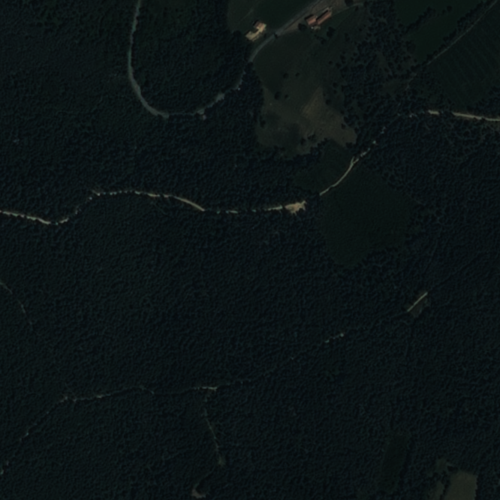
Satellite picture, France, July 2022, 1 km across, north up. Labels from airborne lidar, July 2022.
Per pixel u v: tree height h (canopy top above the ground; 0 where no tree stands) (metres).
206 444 18
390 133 19
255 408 22
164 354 23
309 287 24
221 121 16
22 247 22
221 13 28
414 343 20
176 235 18
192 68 15
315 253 23
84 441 13
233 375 20
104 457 15
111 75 18
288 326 17
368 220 5
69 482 19
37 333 13
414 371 17
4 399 15
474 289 21
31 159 14
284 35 0
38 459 16
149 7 8
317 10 0
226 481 12
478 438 24
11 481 16
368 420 23
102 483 18
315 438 20
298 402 26
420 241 22
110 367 17
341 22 0
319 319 22
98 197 20
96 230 17
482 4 10
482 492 14
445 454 22
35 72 19
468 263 15
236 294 22
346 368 22
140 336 19
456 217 18
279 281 20
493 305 20
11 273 18
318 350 20
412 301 10
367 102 13
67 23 18
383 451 21
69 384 19
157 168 30
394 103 15
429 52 0
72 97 15
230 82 21
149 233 26
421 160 19
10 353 14
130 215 17
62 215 25
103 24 9
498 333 20
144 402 21
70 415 14
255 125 9
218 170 28
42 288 22
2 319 19
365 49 14
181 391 16
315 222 24
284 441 21
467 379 20
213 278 22
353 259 6
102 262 22
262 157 18
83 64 15
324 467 7
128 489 11
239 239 23
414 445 20
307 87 0
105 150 28
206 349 21
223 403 11
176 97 14
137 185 23
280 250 23
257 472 21
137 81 16
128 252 24
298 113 0
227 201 18
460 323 24
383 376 20
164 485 18
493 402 14
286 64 0
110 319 22
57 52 19
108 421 18
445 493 10
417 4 0
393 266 21
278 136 0
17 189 22
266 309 19
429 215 8
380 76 13
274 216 20
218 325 23
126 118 20
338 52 0
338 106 0
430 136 22
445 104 8
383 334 19
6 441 14
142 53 16
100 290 19
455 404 18
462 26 14
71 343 23
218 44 20
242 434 18
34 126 22
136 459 21
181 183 33
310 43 0
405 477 23
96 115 16
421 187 17
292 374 21
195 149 24
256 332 25
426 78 6
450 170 16
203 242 24
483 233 22
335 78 0
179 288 24
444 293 25
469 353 19
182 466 23
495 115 17
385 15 11
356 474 22
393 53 14
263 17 0
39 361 14
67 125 14
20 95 14
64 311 24
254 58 0
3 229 24
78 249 23
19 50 17
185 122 28
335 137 0
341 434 22
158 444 17
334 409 23
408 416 26
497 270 16
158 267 24
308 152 0
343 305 20
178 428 20
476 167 21
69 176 24
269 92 0
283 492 25
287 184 25
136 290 16
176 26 12
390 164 19
